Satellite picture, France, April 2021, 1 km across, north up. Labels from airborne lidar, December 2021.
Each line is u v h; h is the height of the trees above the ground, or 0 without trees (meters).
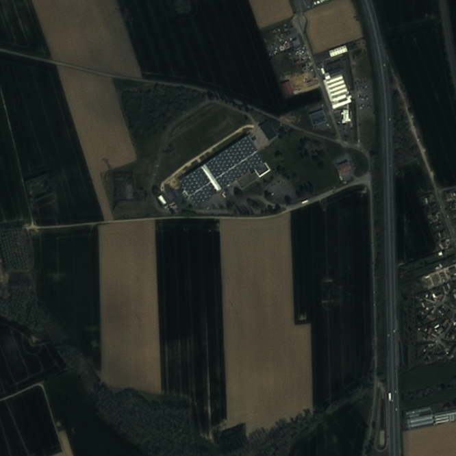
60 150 0
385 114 0
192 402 0
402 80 0
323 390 0
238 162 0
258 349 0
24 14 0
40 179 6
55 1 0
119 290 0
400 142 7
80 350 0
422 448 0
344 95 0
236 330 0
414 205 0
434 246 0
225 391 0
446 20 0
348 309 0
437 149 0
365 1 0
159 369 0
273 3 0
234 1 0
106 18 0
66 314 0
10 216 0
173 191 0
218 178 0
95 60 0
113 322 0
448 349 0
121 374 0
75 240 0
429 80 0
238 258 0
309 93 0
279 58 0
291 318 0
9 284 7
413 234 0
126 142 0
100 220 0
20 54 0
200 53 0
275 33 0
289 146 0
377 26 0
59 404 0
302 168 0
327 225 0
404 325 0
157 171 0
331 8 0
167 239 0
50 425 0
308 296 0
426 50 0
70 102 0
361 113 0
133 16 0
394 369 0
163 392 0
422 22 0
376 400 0
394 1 0
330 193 0
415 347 7
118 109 0
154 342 0
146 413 0
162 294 0
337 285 0
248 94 0
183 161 0
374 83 0
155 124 8
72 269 0
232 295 0
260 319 0
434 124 0
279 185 0
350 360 0
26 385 0
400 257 0
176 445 18
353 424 0
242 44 0
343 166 0
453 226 0
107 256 0
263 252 0
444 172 0
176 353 0
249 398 0
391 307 0
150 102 6
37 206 0
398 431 0
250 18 0
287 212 0
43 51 0
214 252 0
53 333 0
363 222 0
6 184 0
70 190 0
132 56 0
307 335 0
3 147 0
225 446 7
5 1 0
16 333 0
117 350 0
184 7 20
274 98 0
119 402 0
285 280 0
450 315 0
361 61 0
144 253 0
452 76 6
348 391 0
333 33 0
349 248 0
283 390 0
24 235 25
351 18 0
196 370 0
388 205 0
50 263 0
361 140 0
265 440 33
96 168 0
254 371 0
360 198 0
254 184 0
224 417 0
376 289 0
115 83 0
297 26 0
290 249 0
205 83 0
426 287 0
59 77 0
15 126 0
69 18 0
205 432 0
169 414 21
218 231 0
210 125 0
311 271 0
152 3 0
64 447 0
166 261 0
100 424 0
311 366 0
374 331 0
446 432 0
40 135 0
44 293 0
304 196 15
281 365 0
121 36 0
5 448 0
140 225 0
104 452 0
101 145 0
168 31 0
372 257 0
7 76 0
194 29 0
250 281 0
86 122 0
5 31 0
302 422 19
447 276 0
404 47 0
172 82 0
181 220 0
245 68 0
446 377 0
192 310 0
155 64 0
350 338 0
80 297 0
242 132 0
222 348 0
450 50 0
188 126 0
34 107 0
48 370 0
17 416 0
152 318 0
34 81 0
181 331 0
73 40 0
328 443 0
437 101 0
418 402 0
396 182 0
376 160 15
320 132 0
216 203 0
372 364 0
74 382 0
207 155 0
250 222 0
